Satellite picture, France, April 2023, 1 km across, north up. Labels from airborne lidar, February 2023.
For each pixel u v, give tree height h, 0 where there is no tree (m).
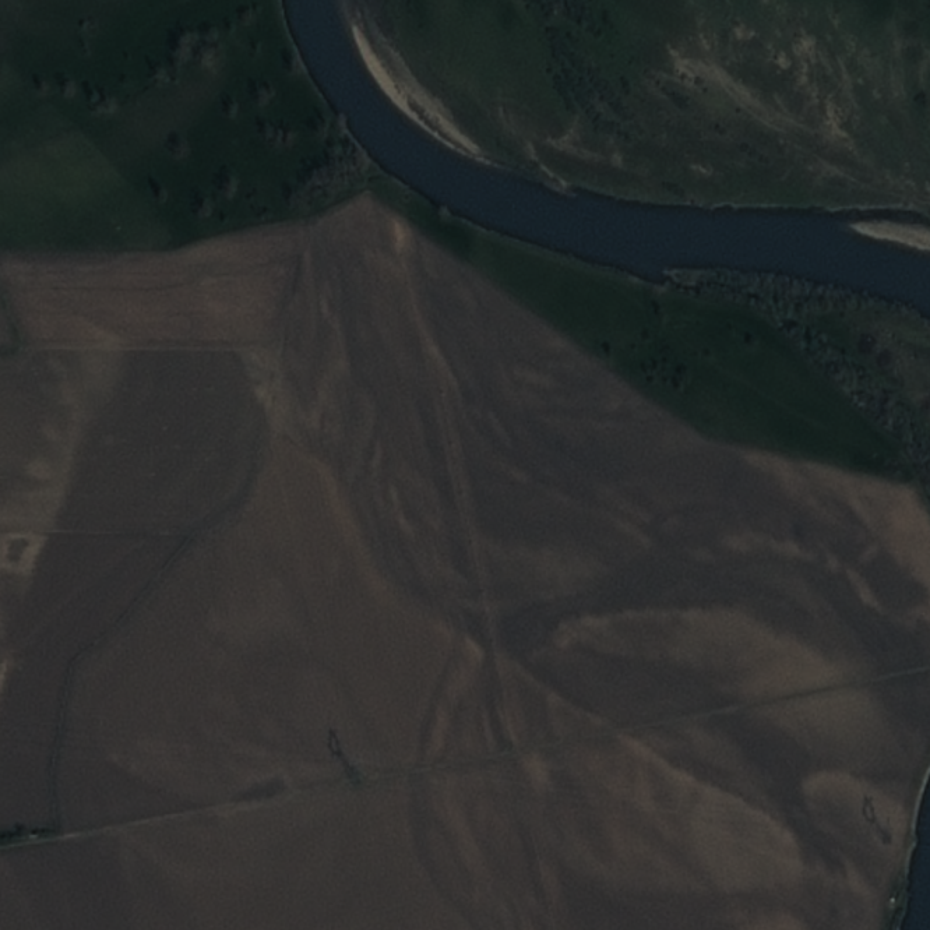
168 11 0
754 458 0
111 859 0
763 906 0
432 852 0
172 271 0
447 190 0
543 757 0
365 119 0
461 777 0
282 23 0
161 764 0
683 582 0
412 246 0
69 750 0
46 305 0
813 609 0
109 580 0
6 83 0
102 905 0
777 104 0
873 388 21
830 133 0
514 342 0
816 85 0
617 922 0
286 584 0
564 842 0
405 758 0
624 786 0
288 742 0
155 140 0
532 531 0
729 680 0
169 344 0
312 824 0
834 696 0
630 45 0
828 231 0
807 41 0
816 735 0
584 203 0
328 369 0
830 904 0
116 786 0
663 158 0
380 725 0
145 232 0
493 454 0
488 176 0
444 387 0
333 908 0
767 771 0
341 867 0
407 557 0
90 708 0
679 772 0
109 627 0
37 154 0
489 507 0
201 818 0
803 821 0
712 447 0
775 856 0
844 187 0
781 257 0
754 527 0
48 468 0
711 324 0
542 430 0
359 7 0
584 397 0
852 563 0
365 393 0
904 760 0
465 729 0
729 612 0
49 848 0
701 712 0
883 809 0
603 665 0
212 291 0
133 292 0
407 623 0
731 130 0
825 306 15
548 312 0
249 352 0
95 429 0
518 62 0
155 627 0
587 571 0
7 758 0
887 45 0
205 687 0
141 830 0
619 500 0
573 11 15
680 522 0
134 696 0
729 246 0
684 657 0
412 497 0
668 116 0
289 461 0
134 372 0
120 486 0
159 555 0
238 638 0
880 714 0
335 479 0
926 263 0
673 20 0
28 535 0
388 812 0
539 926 0
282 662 0
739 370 0
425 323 0
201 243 0
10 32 0
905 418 15
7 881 0
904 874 0
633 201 0
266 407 0
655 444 0
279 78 0
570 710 0
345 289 0
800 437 0
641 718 0
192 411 0
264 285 0
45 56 0
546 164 0
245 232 0
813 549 0
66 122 0
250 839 0
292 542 0
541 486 0
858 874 0
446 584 0
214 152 0
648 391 0
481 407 0
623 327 0
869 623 0
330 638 0
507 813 0
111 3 0
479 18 0
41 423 0
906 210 0
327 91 0
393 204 0
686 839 0
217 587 0
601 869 0
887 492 0
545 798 0
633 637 0
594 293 0
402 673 0
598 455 0
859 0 0
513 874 0
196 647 0
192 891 0
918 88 0
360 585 0
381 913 0
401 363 0
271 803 0
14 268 0
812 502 0
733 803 0
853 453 0
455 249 0
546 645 0
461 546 0
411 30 0
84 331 0
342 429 0
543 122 0
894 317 0
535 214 0
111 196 0
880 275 0
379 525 0
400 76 0
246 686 0
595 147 0
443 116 0
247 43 0
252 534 0
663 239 0
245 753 0
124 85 9
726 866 0
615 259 0
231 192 25
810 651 0
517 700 0
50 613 0
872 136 0
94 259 0
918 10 0
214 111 0
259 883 0
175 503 0
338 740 0
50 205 0
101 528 0
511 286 0
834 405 0
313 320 0
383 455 0
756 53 0
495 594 0
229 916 0
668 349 0
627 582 0
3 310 0
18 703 0
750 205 0
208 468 0
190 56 26
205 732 0
